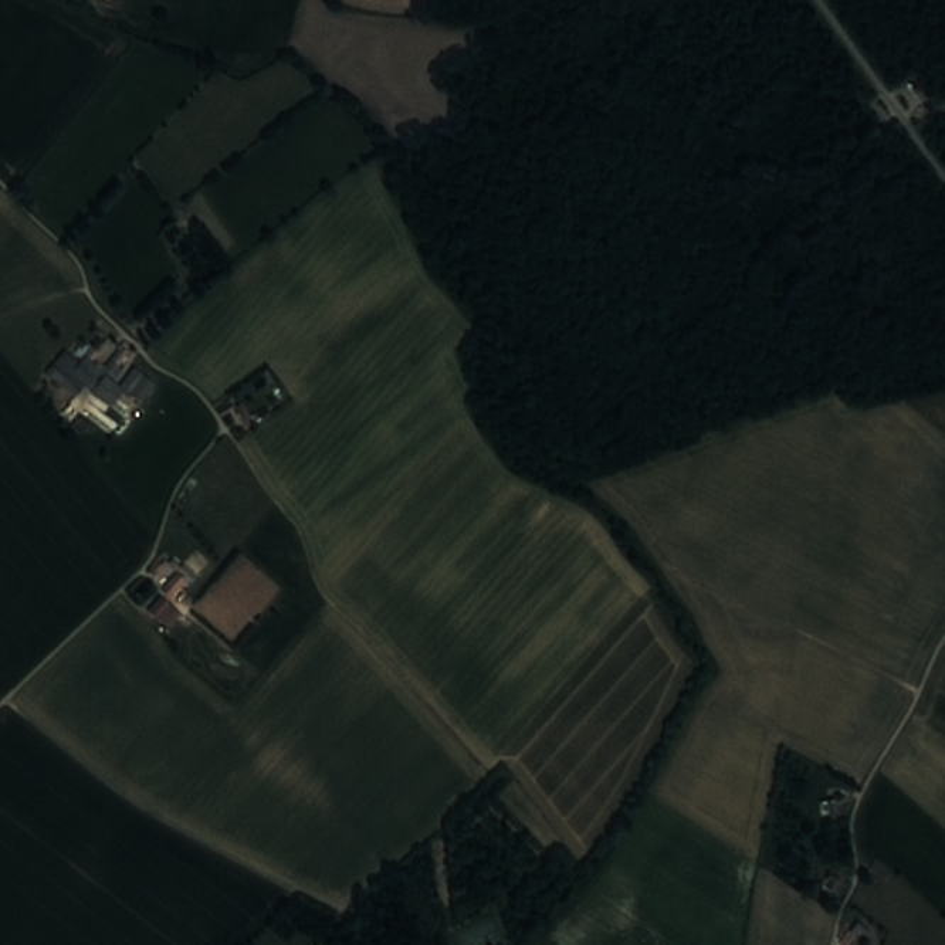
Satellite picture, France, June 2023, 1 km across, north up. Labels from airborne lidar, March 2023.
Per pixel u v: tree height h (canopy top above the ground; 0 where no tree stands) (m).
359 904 23
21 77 0
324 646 0
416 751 0
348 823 0
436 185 22
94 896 0
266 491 0
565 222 25
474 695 0
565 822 0
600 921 0
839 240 25
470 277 25
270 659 0
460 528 0
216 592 0
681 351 22
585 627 0
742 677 0
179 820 0
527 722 0
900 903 0
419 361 0
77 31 0
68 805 0
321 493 0
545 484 15
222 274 19
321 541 0
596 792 0
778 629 0
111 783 0
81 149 0
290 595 0
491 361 24
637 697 0
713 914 0
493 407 25
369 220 0
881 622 0
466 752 0
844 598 0
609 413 25
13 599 0
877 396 24
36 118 0
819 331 24
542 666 0
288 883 0
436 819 0
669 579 0
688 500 0
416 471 0
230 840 0
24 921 0
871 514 0
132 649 0
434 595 0
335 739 0
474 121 24
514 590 0
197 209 0
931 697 0
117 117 0
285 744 0
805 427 0
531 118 22
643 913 0
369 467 0
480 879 12
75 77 0
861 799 0
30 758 0
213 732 0
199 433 0
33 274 0
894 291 22
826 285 23
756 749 0
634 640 0
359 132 0
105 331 0
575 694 0
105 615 0
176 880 0
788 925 0
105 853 0
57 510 0
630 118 23
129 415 0
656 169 20
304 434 0
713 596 0
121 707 0
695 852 0
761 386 23
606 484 0
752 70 21
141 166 0
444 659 0
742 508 0
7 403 0
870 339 21
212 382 0
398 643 0
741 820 0
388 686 0
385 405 0
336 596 0
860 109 21
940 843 0
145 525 0
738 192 24
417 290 0
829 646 0
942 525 0
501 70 25
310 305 0
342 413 0
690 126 21
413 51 0
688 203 22
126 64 0
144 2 0
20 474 0
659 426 21
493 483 0
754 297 22
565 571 0
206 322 0
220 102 0
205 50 0
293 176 0
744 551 0
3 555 0
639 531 0
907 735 0
